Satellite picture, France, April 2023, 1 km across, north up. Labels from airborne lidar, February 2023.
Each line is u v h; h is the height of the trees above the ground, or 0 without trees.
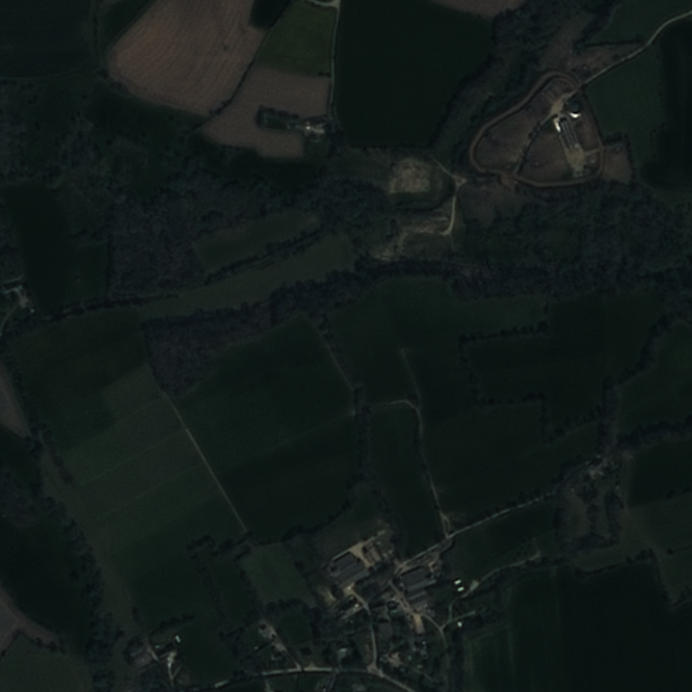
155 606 0
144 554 0
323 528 8
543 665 0
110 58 0
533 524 0
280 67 0
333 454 0
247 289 0
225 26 0
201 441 0
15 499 19
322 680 0
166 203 19
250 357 0
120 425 0
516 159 0
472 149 0
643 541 0
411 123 0
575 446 0
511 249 0
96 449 0
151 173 0
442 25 0
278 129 0
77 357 0
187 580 0
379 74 0
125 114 0
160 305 0
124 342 0
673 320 12
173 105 0
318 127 0
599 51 0
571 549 19
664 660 0
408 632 15
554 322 0
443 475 0
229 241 0
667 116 0
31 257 0
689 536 0
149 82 0
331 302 10
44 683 0
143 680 8
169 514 0
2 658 6
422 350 0
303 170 0
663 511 0
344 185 7
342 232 14
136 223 21
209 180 9
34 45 0
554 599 0
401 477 0
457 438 0
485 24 0
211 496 0
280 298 17
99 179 8
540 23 15
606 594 0
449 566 7
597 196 17
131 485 0
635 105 0
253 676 9
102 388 0
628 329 0
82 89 0
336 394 0
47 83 0
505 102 6
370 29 0
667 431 20
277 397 0
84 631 0
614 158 0
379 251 0
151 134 0
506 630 0
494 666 0
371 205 15
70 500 0
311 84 0
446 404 0
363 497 0
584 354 0
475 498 0
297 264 0
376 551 0
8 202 0
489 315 0
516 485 0
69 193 0
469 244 0
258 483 0
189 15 0
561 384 0
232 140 0
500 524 0
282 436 0
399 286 0
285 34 0
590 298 0
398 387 0
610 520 15
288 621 0
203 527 0
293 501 0
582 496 16
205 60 0
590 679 0
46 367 0
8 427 0
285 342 0
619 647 0
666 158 0
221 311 0
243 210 13
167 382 14
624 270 9
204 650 0
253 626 12
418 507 0
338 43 0
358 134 0
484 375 0
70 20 0
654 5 0
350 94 0
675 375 0
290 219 0
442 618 6
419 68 0
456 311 0
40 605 0
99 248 0
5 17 0
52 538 0
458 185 0
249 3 0
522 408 0
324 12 0
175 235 23
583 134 0
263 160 0
